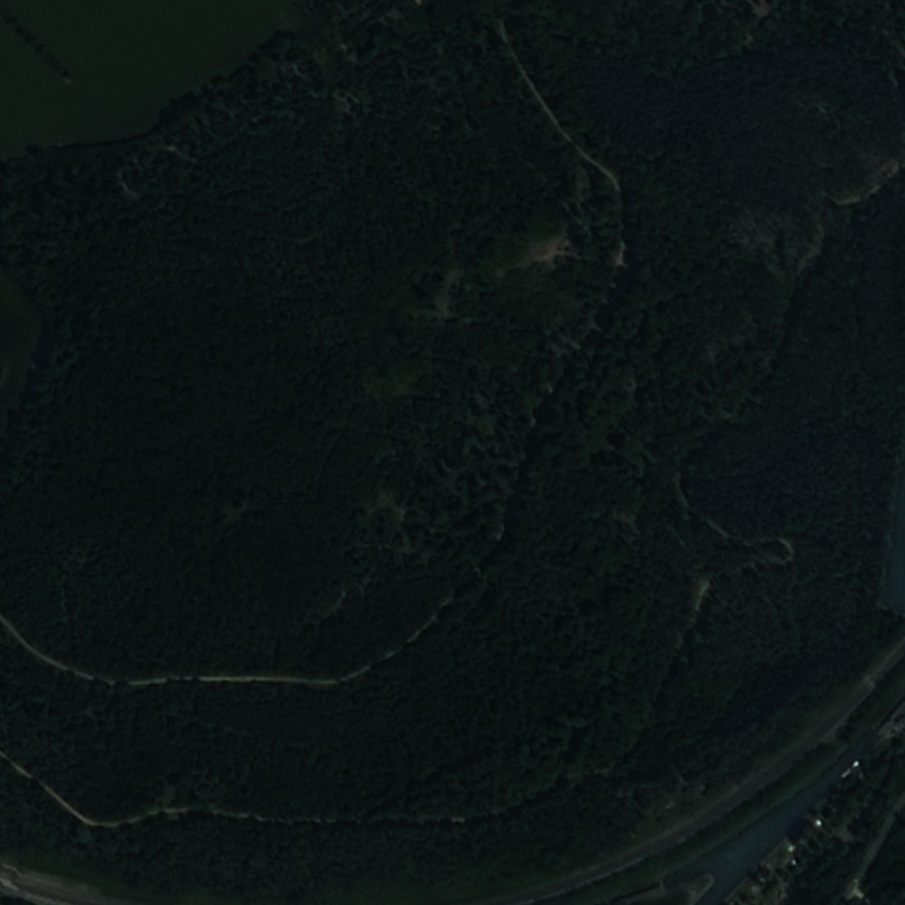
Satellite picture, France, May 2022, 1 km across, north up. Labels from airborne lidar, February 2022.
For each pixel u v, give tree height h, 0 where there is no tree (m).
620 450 30
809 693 32
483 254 16
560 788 22
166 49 0
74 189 28
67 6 0
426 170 6
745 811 10
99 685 10
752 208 27
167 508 8
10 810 22
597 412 33
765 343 22
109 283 15
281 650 8
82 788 26
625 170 35
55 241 14
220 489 10
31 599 12
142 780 13
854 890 0
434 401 12
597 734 23
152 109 0
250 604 15
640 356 33
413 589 10
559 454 37
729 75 30
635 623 29
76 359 8
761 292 26
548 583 27
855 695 0
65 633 14
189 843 17
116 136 0
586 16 25
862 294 30
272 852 11
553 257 0
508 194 16
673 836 0
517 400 13
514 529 28
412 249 8
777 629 33
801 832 23
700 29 32
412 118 13
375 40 21
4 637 21
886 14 37
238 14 0
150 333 14
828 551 33
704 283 29
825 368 27
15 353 0
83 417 10
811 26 23
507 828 25
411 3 19
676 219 32
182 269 12
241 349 12
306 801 9
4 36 0
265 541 14
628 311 37
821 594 25
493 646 8
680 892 0
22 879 0
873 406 31
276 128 10
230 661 15
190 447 10
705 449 31
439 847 24
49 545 12
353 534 7
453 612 11
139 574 13
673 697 23
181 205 12
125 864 27
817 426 30
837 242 28
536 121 6
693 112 27
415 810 31
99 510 11
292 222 11
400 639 12
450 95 10
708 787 11
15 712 30
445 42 12
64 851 20
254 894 19
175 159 13
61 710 12
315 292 16
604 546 27
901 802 0
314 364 8
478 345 11
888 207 30
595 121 28
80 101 0
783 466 28
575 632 23
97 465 10
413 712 7
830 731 0
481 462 33
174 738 17
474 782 22
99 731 8
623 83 31
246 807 13
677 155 25
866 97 28
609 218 28
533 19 31
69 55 0
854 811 17
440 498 16
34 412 15
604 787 18
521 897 0
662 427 25
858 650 28
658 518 21
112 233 11
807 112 23
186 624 10
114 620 10
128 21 0
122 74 0
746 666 29
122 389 10
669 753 12
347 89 13
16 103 0
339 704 7
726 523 26
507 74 11
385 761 6
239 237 12
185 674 11
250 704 12
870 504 27
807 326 29
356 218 16
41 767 21
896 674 19
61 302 15
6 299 0
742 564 15
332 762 13
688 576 22
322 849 23
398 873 14
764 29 30
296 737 16
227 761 14
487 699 6
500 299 6
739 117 29
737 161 28
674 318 33
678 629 25
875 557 27
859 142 24
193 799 25
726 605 21
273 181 14
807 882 21
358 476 11
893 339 29
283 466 8
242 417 9
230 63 0
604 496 25
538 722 16
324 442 8
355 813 13
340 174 15
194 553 13
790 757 0
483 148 8
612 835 15
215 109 13
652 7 21
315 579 8
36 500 9
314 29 0
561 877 0
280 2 0
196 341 10
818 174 21
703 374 8
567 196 24
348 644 14
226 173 15
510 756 26
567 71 29
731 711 10
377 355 9
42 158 24
